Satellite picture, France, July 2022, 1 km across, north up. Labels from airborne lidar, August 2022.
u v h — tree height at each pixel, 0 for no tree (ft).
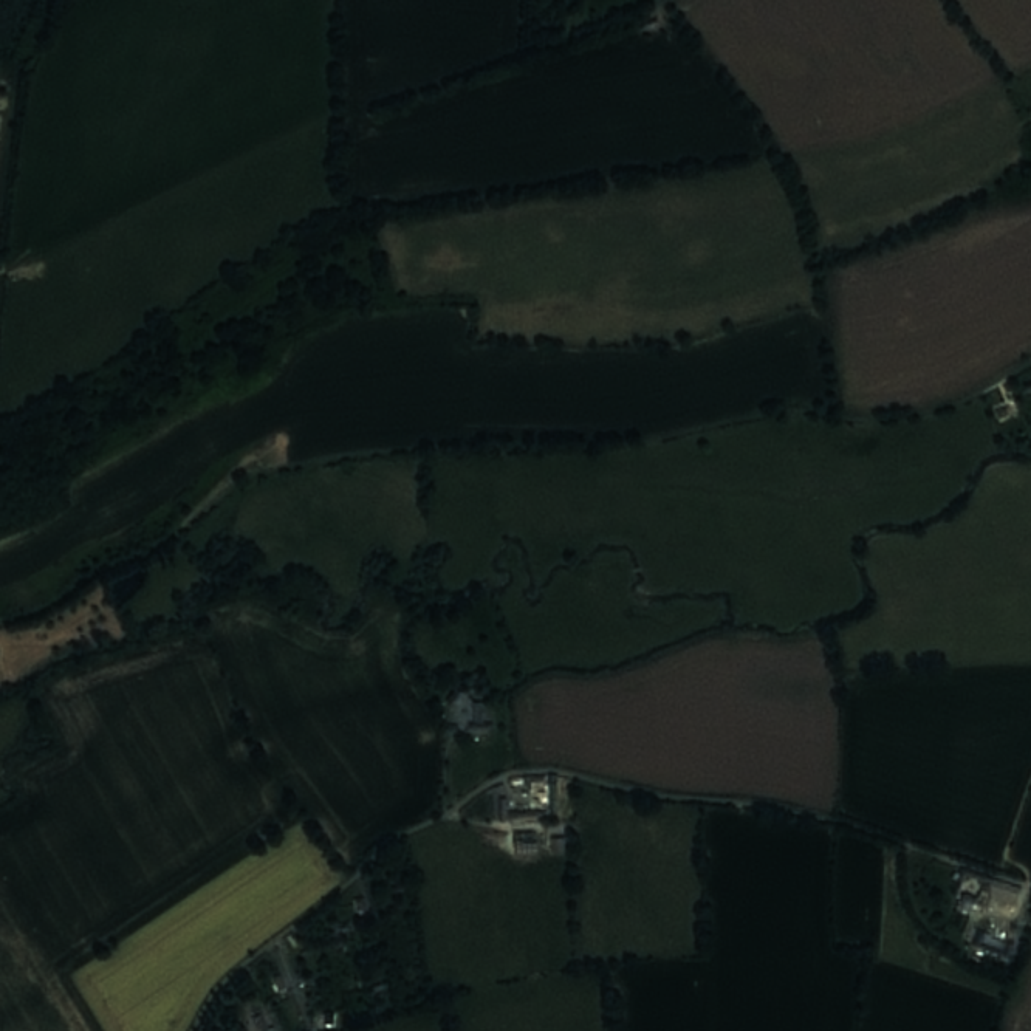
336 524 0
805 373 0
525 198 43
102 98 0
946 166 0
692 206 0
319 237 51
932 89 0
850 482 0
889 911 0
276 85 0
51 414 42
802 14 0
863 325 0
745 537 0
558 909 0
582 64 0
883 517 0
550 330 0
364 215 52
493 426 0
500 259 0
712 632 0
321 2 0
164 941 0
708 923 30
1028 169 66
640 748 0
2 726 0
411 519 0
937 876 0
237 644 0
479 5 0
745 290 0
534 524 0
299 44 0
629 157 0
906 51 0
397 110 53
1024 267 0
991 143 0
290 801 66
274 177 0
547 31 34
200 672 0
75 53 0
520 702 0
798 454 0
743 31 0
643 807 68
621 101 0
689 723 0
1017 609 0
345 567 0
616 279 0
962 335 0
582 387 0
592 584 0
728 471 0
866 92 0
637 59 0
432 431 0
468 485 0
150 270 0
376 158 0
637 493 0
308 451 0
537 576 0
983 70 0
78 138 0
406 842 32
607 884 0
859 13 0
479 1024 0
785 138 0
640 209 0
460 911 0
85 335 0
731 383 0
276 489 0
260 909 0
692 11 0
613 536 0
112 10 0
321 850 59
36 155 0
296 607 31
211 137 0
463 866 0
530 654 0
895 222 0
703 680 0
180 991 0
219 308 0
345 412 0
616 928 0
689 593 0
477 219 0
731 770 0
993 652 0
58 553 0
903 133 0
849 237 0
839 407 52
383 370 0
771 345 0
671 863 0
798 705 0
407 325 0
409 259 0
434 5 0
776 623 0
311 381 0
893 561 0
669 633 0
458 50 0
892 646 0
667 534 0
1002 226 0
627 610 0
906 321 0
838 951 46
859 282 0
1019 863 0
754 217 0
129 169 0
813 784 0
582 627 0
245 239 0
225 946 0
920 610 0
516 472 0
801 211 54
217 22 0
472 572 0
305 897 0
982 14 0
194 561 27
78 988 0
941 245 0
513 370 0
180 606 43
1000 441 51
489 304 0
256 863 0
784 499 0
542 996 0
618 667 0
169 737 0
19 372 0
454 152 0
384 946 37
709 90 0
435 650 0
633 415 0
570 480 0
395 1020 23
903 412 34
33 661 0
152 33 0
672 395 0
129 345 20
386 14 0
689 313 0
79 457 36
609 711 0
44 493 61
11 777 0
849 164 0
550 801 0
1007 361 0
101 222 0
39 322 0
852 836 36
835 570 0
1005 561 0
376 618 0
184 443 0
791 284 0
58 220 0
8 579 0
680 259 0
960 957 34
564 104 0
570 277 0
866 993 19
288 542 0
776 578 0
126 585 59
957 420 0
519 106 0
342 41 59
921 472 0
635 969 32
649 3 39
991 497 0
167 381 43
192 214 0
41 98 0
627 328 0
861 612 48
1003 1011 20
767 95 0
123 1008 0
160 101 0
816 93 0
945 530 0
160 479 0
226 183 0
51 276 0
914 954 0
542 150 0
